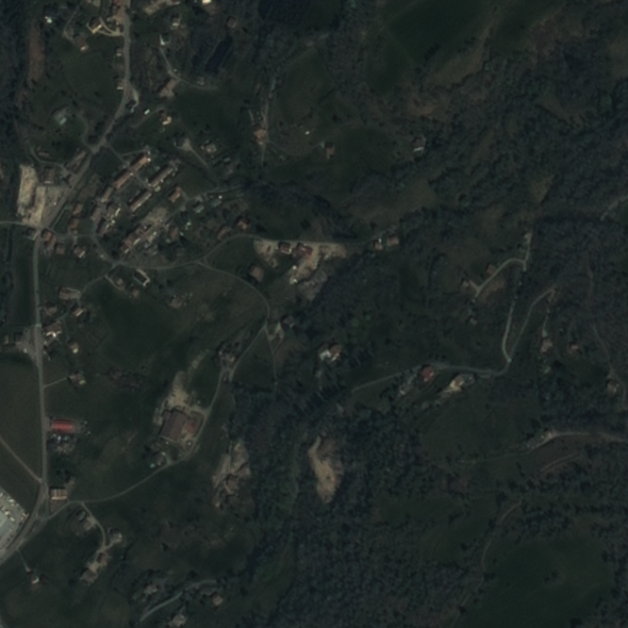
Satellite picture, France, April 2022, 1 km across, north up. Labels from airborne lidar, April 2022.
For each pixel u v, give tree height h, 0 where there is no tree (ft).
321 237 0
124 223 0
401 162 24
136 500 0
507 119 32
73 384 35
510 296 25
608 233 58
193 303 0
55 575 0
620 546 53
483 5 0
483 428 0
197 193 0
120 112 0
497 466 0
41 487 0
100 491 0
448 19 0
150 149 0
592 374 0
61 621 0
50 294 0
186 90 0
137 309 0
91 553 0
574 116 0
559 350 0
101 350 0
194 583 38
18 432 0
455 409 0
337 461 0
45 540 0
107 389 0
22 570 0
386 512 0
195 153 0
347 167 0
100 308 0
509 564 0
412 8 0
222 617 0
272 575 31
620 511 25
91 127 0
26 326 0
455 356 0
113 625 0
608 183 53
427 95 38
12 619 0
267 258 0
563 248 56
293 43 27
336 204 0
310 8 98
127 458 0
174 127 0
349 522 59
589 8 38
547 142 32
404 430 23
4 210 0
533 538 27
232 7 56
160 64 37
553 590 0
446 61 0
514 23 0
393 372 0
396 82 0
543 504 0
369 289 49
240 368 0
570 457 0
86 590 0
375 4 61
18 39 77
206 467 0
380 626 45
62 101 0
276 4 94
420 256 31
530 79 61
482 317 54
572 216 0
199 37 58
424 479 61
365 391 0
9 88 41
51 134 0
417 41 0
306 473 35
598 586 0
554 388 67
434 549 0
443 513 0
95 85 0
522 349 0
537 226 22
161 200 0
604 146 49
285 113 0
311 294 0
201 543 0
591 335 60
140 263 0
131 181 0
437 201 0
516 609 0
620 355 64
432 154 69
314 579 39
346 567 53
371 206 0
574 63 78
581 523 0
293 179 0
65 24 58
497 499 0
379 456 49
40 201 0
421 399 0
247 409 66
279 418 63
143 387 35
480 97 60
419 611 33
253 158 38
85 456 0
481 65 0
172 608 0
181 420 0
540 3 0
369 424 36
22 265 0
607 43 45
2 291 0
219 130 0
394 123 0
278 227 0
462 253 0
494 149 20
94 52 0
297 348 0
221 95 0
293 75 0
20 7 91
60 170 0
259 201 74
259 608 0
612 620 51
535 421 0
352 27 67
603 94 54
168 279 0
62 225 0
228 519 0
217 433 0
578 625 36
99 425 0
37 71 0
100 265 0
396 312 0
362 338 0
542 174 35
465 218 52
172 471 0
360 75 41
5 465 0
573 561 0
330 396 0
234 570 0
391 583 22
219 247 0
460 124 69
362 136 0
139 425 0
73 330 0
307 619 56
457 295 35
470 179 24
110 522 0
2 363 0
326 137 0
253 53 0
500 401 33
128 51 0
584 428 82
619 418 68
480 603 28
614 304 53
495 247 0
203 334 0
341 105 0
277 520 76
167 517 0
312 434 32
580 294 67
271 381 0
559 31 0
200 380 0
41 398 0
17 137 71
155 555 0
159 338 0
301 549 55
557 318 25
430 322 28
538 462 0
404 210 0
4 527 0
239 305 0
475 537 0
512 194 59
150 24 0
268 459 45
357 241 69
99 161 58
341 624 37
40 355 0
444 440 0
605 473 41
